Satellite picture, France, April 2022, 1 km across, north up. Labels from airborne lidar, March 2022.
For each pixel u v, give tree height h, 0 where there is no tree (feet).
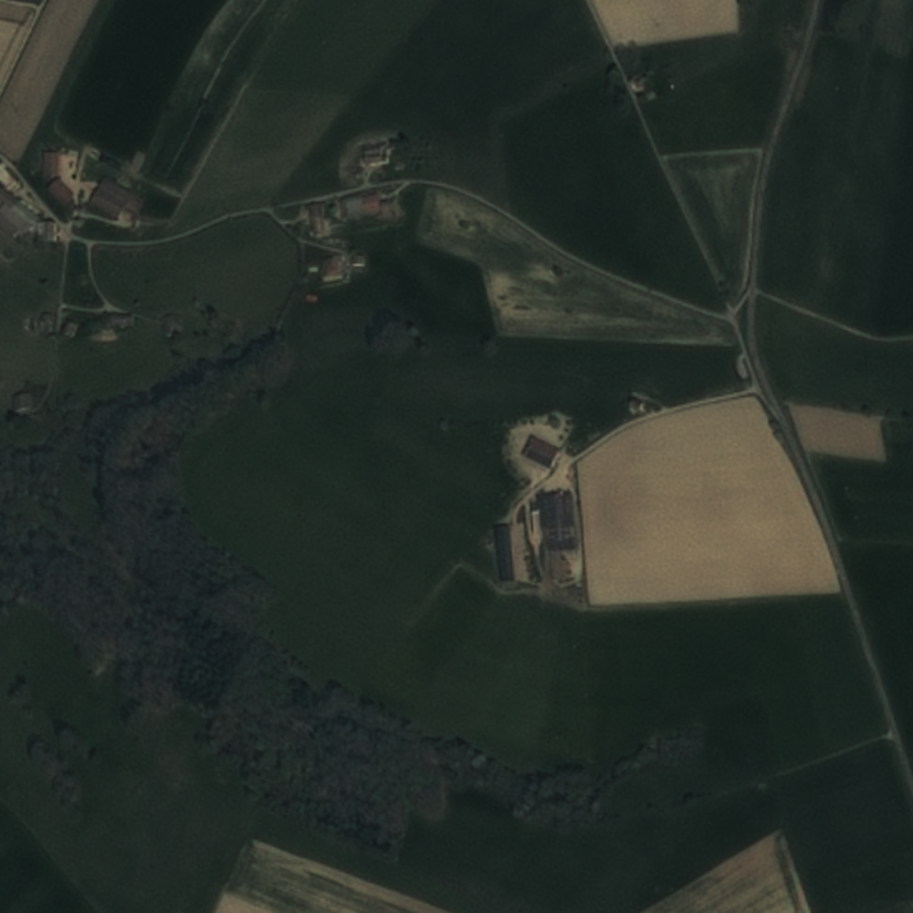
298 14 0
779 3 0
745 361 0
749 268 0
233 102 0
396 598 0
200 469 0
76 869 0
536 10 0
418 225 0
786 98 0
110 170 0
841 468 0
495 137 0
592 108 0
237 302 0
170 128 0
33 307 0
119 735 0
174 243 0
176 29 0
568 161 0
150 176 0
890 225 0
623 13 0
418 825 0
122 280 0
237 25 0
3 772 0
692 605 0
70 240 0
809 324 0
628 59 61
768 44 0
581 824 34
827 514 0
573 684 0
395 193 0
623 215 0
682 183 0
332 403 0
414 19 0
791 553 0
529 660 0
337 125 0
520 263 0
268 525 0
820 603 0
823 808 0
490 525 0
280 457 0
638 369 0
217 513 0
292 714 99
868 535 0
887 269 0
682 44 0
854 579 0
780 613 0
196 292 0
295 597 0
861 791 0
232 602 112
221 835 0
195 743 0
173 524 89
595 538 0
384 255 0
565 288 0
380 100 0
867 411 23
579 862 0
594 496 0
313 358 0
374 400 0
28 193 0
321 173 0
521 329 0
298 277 0
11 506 35
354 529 0
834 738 0
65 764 60
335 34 0
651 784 0
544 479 0
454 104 0
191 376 0
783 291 0
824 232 0
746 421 0
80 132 0
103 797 0
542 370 0
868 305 0
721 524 0
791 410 0
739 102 0
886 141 0
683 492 0
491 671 0
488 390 0
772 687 0
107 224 0
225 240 0
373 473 0
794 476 0
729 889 0
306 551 0
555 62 0
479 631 0
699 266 0
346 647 0
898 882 0
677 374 0
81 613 103
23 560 87
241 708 82
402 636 0
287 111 0
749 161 0
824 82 0
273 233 0
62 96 0
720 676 0
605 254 0
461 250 0
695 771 0
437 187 0
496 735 0
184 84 0
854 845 0
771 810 0
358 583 0
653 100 0
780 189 0
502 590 0
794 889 0
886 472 0
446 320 0
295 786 22
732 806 0
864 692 0
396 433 0
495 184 0
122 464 109
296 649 0
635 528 0
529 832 0
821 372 0
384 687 0
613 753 0
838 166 0
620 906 0
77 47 0
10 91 0
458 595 0
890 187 0
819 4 0
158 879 0
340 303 0
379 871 0
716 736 0
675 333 0
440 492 0
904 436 0
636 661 0
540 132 0
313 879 0
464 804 0
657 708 0
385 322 0
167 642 95
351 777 108
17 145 0
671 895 0
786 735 0
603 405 0
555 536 0
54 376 0
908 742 0
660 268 0
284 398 0
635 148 0
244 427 0
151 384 0
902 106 0
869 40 0
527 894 0
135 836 0
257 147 0
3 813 0
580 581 0
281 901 0
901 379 0
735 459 0
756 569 0
